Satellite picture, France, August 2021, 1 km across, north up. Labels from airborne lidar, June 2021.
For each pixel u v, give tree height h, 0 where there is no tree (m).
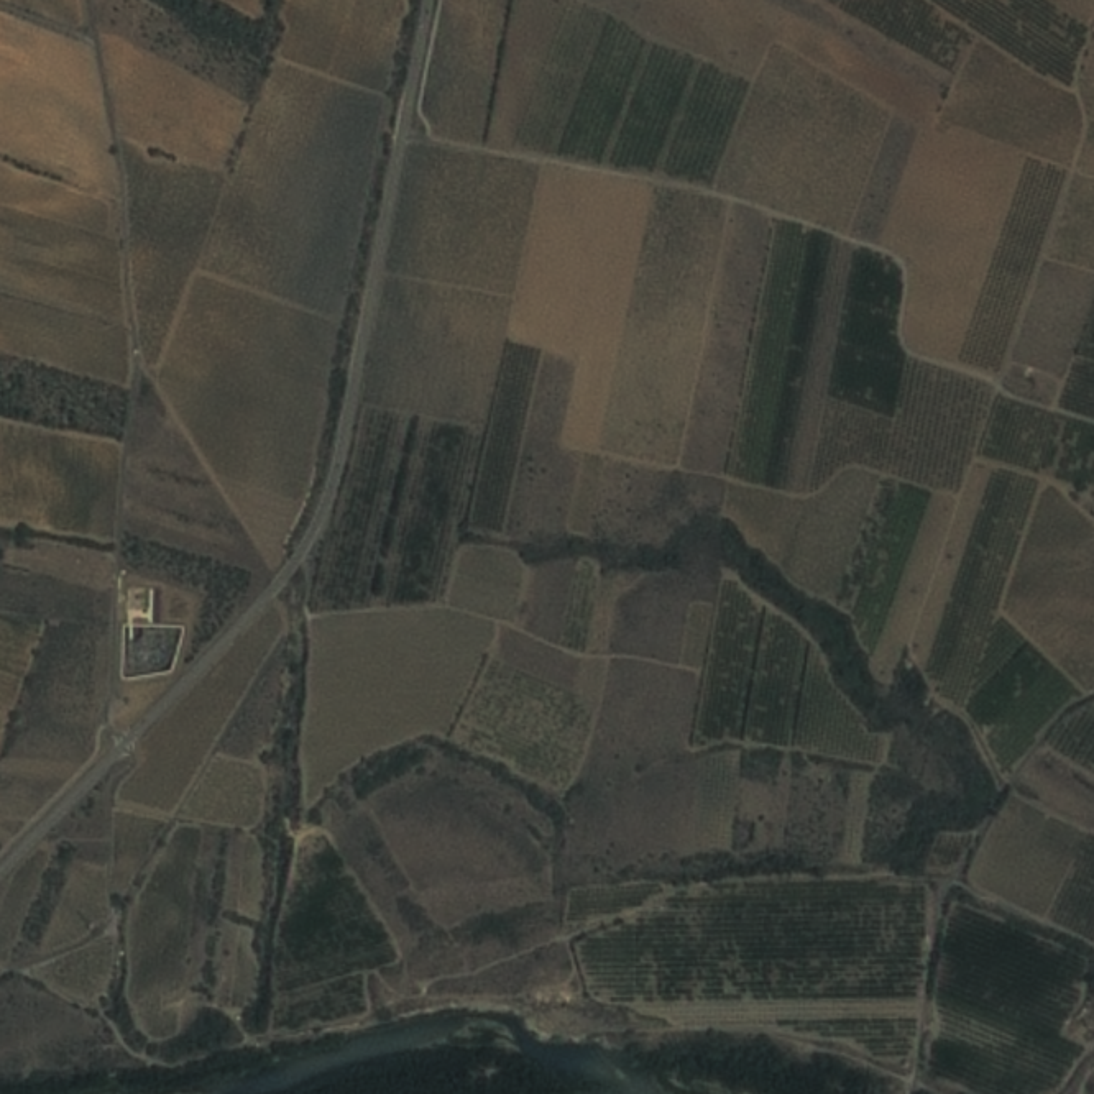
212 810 0
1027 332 0
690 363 0
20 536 5
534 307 0
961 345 0
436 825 0
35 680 0
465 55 0
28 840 0
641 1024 0
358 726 0
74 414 9
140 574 0
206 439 0
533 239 0
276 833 8
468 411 0
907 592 0
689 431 0
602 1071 0
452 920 0
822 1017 0
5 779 0
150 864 0
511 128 0
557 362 0
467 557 0
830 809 0
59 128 0
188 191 0
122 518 0
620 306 0
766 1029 0
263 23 9
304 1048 9
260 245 0
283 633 0
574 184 0
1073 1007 0
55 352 0
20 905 0
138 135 0
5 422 0
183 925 0
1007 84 0
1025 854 0
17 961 0
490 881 0
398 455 0
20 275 0
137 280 0
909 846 17
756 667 8
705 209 0
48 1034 0
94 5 0
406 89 0
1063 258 0
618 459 0
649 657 0
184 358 0
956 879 0
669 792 0
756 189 0
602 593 0
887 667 0
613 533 0
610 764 0
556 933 0
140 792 0
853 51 0
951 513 0
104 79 0
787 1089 16
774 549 0
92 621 0
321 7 0
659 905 0
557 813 6
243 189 0
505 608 0
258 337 0
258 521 0
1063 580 0
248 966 0
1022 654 8
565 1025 0
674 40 0
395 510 10
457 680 0
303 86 0
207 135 0
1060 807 0
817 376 0
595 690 0
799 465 0
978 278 0
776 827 0
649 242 0
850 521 0
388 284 0
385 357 0
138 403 0
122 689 0
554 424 0
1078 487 8
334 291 0
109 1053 6
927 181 0
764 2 0
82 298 0
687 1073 15
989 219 0
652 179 0
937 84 0
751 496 0
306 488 0
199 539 0
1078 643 0
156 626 0
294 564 0
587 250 0
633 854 0
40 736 0
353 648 0
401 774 8
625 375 0
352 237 0
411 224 0
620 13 0
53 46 0
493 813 0
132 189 0
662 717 0
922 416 0
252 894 0
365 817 0
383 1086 19
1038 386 0
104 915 0
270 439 0
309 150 0
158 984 0
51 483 0
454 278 0
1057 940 7
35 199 0
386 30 0
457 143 0
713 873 9
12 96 0
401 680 0
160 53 0
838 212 0
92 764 0
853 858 0
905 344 0
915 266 0
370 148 0
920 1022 0
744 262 0
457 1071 16
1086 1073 0
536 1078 14
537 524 0
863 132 0
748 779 0
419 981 0
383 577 10
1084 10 0
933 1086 0
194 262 0
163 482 0
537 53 0
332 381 6
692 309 0
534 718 0
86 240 0
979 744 0
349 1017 0
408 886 0
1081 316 0
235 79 0
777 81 0
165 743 0
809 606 6
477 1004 0
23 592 0
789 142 0
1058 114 0
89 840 0
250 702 0
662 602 0
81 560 0
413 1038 0
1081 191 0
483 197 0
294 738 13
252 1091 0
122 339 0
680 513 0
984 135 0
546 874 0
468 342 0
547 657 0
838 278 0
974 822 6
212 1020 15
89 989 0
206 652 0
